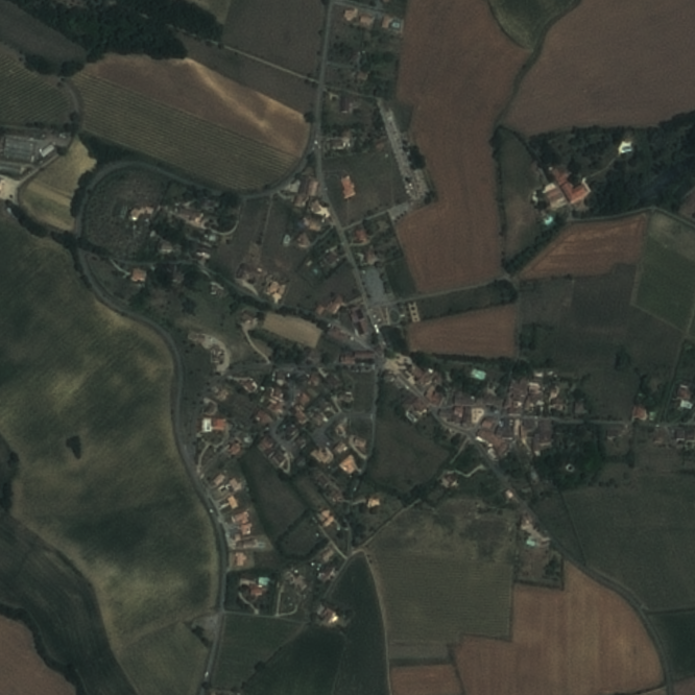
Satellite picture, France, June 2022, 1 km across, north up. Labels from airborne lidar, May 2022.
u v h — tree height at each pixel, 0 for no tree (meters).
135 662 0
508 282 12
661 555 0
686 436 0
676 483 0
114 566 0
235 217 7
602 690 0
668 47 0
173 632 0
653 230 0
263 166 0
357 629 0
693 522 0
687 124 18
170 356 0
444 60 0
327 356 6
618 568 0
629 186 20
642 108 0
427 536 0
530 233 0
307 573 0
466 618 0
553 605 0
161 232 14
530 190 0
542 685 0
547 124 0
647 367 0
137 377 0
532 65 0
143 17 9
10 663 0
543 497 7
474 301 0
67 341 0
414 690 0
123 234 0
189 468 0
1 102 0
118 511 0
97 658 0
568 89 0
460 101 0
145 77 0
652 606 0
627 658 0
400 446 0
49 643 0
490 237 0
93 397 0
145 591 0
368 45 7
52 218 0
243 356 0
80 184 13
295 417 9
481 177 0
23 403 0
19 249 0
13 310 0
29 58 14
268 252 0
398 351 11
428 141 0
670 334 0
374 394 0
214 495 0
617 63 0
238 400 0
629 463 10
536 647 0
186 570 0
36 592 0
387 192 0
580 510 0
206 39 9
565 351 0
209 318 0
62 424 0
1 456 0
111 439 0
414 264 0
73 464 0
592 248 0
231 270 0
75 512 0
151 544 0
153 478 0
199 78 0
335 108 0
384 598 0
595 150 17
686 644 0
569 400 6
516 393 0
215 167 0
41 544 0
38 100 0
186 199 11
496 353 0
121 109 0
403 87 0
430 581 0
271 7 0
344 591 0
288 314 15
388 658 0
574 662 0
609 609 0
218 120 0
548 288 0
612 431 0
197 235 6
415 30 0
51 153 0
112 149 9
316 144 0
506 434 0
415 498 8
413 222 0
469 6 0
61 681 0
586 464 8
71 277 0
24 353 0
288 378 7
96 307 0
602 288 0
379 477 0
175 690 0
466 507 0
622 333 0
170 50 23
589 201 13
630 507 0
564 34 0
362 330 0
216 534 0
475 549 0
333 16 0
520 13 0
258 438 8
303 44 0
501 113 0
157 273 9
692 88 0
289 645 0
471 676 0
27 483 0
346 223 0
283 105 0
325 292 0
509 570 0
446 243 0
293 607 0
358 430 0
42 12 11
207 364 0
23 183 0
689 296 0
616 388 0
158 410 0
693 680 0
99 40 7
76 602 0
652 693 0
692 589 0
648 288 0
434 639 0
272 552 0
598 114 0
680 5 0
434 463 0
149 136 0
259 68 0
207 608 0
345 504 9
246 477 0
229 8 0
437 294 0
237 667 0
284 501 0
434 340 0
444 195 0
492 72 0
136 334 0
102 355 0
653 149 13
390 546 0
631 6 0
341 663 0
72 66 14
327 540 6
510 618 0
